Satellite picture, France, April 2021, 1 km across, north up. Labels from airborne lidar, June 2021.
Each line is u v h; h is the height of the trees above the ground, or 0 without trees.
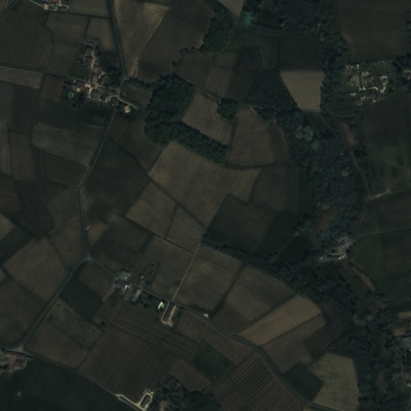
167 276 0
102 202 0
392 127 0
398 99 0
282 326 0
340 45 21
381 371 0
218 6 23
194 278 0
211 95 0
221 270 0
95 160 0
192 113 0
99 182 0
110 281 0
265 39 0
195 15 0
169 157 0
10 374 0
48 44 0
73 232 0
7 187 0
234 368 0
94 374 0
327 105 19
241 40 0
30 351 0
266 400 0
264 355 0
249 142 0
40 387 0
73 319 0
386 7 0
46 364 0
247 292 0
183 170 0
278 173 0
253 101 14
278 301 0
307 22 6
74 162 0
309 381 0
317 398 0
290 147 14
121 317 0
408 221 0
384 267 0
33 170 0
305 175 0
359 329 0
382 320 20
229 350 0
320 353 0
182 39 0
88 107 0
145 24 0
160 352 0
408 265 0
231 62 0
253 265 14
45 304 0
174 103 25
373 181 0
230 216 0
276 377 0
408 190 0
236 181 0
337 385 0
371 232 0
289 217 0
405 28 0
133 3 0
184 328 0
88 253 0
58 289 0
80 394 0
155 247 0
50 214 0
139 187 0
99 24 0
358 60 0
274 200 0
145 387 0
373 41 0
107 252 0
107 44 0
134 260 0
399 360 8
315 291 11
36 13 0
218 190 0
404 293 0
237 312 0
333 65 21
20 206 0
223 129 0
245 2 0
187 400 18
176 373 0
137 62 0
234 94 0
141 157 0
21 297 0
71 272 0
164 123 23
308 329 0
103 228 0
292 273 22
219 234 0
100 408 0
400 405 8
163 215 0
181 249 0
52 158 0
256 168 0
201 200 0
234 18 0
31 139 0
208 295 0
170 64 0
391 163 0
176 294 0
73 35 0
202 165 0
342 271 0
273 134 0
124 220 0
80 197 0
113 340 0
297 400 0
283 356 0
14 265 0
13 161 0
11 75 0
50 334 0
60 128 0
